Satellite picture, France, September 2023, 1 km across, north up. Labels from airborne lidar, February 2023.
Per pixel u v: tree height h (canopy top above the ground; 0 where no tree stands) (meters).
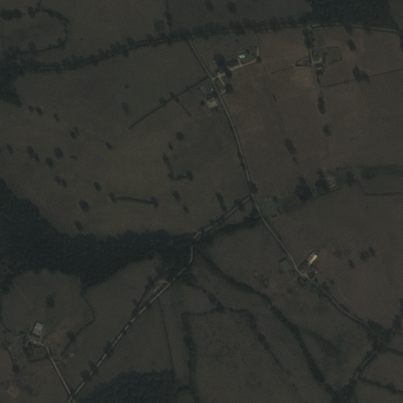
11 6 0
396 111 0
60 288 0
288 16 0
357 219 0
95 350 0
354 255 0
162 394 21
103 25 0
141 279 0
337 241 0
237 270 0
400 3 0
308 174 0
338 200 0
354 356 0
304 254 0
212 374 0
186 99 0
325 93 0
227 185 0
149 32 0
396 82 0
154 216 0
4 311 0
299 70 0
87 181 0
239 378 0
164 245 12
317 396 0
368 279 0
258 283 0
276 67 0
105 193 0
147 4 0
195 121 0
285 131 0
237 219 0
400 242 0
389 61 0
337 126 0
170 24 8
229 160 0
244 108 0
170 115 0
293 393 0
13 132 0
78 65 11
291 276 0
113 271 14
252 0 6
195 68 0
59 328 0
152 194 0
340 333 0
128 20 0
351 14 18
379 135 0
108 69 0
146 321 0
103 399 18
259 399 0
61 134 0
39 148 0
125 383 11
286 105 0
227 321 0
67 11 0
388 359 0
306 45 12
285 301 0
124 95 0
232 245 0
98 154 0
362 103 0
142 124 0
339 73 0
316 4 22
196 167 0
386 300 0
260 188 0
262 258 0
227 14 0
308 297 0
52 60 0
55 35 0
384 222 0
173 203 0
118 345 0
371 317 0
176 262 21
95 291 0
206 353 0
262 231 0
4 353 0
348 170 0
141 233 0
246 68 0
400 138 0
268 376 0
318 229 0
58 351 0
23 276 0
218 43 0
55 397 0
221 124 0
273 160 0
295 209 0
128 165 0
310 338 0
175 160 0
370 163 0
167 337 0
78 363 0
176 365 0
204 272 0
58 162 0
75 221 0
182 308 0
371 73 0
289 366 0
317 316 0
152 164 0
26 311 0
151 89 0
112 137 0
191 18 0
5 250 26
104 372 0
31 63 15
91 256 23
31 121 0
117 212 0
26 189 0
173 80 0
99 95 0
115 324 0
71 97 0
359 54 0
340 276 0
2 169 0
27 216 25
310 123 0
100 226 0
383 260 0
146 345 0
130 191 0
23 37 0
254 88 0
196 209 0
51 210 0
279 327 0
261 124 0
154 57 0
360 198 0
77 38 0
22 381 0
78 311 0
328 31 0
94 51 0
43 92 0
